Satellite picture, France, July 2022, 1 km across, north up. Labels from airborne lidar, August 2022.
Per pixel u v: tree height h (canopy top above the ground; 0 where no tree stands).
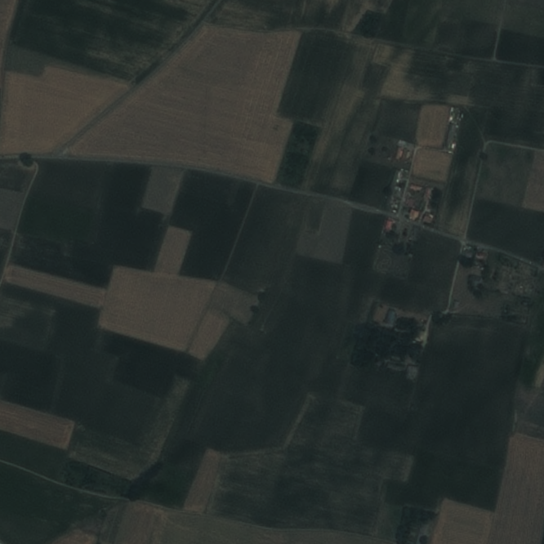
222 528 0
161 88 0
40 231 0
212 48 0
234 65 0
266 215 0
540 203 0
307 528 0
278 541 0
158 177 0
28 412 0
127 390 0
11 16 0
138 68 0
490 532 0
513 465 0
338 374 0
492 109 0
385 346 20
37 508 0
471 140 0
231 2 0
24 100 0
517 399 0
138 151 0
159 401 0
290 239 0
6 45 0
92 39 0
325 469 0
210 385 0
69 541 0
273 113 0
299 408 0
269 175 0
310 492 0
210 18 0
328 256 0
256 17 0
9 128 0
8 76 0
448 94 0
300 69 0
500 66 0
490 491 0
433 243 0
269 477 0
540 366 0
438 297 0
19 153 0
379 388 0
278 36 0
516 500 0
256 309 15
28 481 0
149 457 0
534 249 0
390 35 0
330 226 0
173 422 0
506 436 0
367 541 0
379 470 0
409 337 19
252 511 0
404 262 0
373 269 0
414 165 0
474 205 0
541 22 0
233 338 0
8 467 0
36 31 0
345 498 0
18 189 0
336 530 0
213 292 0
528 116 0
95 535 0
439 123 0
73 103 0
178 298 0
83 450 0
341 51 0
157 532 0
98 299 0
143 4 0
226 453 0
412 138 0
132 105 0
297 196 0
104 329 0
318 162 0
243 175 0
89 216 0
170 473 0
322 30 0
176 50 0
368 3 0
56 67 0
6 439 0
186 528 0
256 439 0
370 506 0
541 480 0
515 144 0
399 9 0
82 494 0
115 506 0
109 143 0
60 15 0
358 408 0
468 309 0
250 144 0
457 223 0
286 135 0
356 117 0
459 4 0
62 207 0
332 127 0
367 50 0
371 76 0
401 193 0
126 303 0
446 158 0
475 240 0
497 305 0
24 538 0
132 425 0
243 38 0
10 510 0
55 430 0
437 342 0
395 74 0
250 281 0
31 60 0
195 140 0
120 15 0
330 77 0
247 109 0
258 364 0
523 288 0
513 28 0
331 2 0
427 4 0
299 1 0
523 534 0
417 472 0
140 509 0
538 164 0
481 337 0
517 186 0
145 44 0
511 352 0
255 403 0
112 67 0
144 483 16
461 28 0
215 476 0
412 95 0
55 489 0
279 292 0
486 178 0
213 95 0
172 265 0
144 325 0
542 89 0
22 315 0
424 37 0
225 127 0
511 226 0
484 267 7
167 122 0
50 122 0
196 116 0
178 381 0
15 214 0
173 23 0
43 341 0
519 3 0
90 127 0
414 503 0
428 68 0
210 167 0
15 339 0
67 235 0
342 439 0
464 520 0
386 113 0
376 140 10
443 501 0
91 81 0
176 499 0
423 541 16
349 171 0
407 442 0
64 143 0
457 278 0
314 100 0
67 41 0
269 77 0
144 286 0
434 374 0
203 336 0
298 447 0
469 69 0
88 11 0
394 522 0
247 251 0
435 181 0
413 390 0
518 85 0
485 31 0
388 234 9
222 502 0
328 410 0
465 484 0
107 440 0
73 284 0
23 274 0
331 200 0
